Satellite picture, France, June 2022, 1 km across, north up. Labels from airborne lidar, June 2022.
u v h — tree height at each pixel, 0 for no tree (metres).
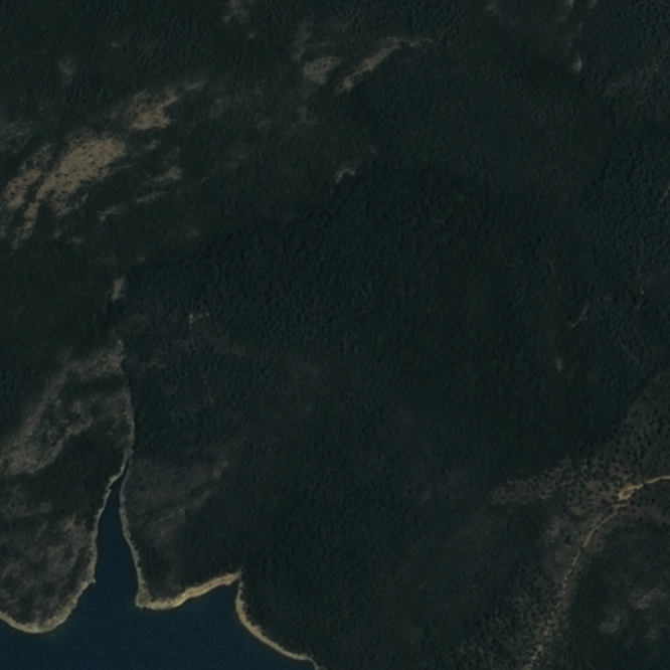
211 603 0
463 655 13
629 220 12
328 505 8
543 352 6
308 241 11
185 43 14
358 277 10
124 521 0
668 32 6
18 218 7
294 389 6
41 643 0
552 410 9
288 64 8
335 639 8
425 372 7
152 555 8
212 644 0
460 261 11
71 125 7
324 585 10
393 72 11
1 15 10
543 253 7
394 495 7
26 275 13
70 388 14
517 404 9
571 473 8
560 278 9
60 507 6
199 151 7
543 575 11
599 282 7
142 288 11
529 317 7
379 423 8
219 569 13
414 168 9
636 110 6
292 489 14
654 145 14
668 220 14
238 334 6
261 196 11
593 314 12
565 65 6
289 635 9
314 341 9
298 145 7
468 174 7
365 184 14
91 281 8
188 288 8
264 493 6
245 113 9
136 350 6
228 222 9
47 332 9
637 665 8
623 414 8
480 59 7
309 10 9
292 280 12
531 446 10
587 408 12
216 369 11
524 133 6
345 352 15
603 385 7
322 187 10
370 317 10
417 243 8
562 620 6
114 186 10
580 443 11
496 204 9
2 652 0
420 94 11
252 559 10
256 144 9
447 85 7
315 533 10
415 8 13
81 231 7
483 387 8
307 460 8
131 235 14
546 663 9
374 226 13
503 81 13
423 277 16
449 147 13
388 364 8
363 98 6
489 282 9
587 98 7
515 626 7
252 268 15
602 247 6
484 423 6
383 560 7
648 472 6
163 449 8
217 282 16
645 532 7
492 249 11
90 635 0
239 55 7
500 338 13
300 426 7
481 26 6
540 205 11
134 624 0
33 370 14
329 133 6
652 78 6
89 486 15
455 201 8
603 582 12
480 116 9
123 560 0
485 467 7
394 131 10
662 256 13
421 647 6
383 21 14
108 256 9
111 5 9
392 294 11
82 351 7
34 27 9
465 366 13
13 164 7
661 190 7
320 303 11
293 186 8
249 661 0
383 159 8
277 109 8
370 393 7
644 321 6
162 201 7
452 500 7
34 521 8
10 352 8
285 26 12
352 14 12
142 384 6
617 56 7
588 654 9
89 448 7
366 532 9
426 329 12
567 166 11
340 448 6
